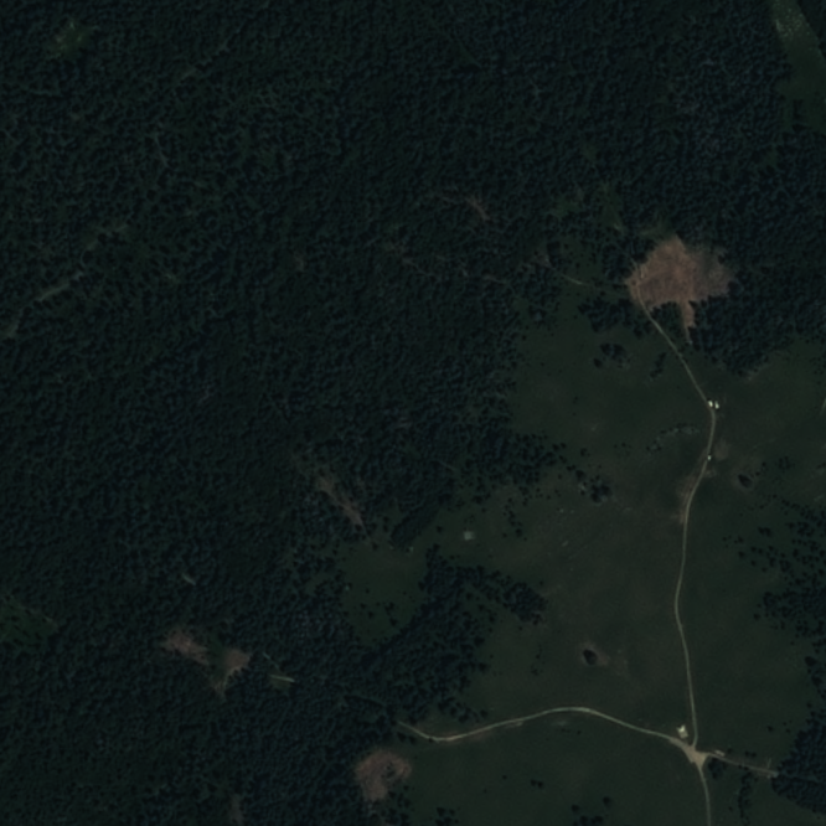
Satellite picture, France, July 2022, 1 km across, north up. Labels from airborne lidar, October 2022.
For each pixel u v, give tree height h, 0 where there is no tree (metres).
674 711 0
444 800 0
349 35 14
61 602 21
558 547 0
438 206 17
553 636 0
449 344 23
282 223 28
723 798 0
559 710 0
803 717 0
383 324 18
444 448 20
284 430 26
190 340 12
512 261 15
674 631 0
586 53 17
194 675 28
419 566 0
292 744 22
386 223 18
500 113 10
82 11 21
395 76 15
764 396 0
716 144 28
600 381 0
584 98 25
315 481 15
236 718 15
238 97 23
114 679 22
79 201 29
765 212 32
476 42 24
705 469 0
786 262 23
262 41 20
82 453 27
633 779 0
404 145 10
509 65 29
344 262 11
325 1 23
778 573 0
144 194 14
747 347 12
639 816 0
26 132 14
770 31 19
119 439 6
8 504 20
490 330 10
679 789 0
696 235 16
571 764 0
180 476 7
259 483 24
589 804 0
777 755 0
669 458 0
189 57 9
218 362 34
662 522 0
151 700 29
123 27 11
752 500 0
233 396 30
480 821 0
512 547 0
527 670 0
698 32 17
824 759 25
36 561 28
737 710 0
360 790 31
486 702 0
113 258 14
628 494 0
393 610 11
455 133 16
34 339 20
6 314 21
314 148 7
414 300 24
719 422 0
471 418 6
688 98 9
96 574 30
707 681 0
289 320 11
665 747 0
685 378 0
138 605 23
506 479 11
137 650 18
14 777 10
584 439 0
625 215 13
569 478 0
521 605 12
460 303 6
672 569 0
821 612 14
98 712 25
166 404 14
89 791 9
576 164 21
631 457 0
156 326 8
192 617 7
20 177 21
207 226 19
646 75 23
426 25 13
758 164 31
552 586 0
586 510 0
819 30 15
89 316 26
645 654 0
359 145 29
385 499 21
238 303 9
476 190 29
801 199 35
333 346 17
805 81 0
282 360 24
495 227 23
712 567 0
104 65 17
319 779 15
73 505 31
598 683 0
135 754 10
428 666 17
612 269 10
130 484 24
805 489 0
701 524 0
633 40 23
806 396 0
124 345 19
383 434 6
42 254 25
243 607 17
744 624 0
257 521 16
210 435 24
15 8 16
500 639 0
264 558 19
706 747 0
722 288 0
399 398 20
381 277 19
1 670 25
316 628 22
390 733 22
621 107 24
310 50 14
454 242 18
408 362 23
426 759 0
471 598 17
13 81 22
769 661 0
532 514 0
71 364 24
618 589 0
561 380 0
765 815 0
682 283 0
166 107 10
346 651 28
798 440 0
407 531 14
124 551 22
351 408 29
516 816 0
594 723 0
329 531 22
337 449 30
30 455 24
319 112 24
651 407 0
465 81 34
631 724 0
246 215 26
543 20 26
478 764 0
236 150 26
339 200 9
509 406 10
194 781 16
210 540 10
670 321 9
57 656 21
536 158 26
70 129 25
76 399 24
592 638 0
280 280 27
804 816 0
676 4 27
